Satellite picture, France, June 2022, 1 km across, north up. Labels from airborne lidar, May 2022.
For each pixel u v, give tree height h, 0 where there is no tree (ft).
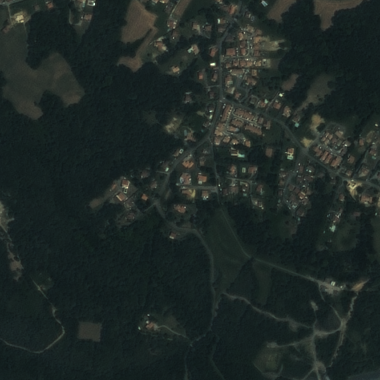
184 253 54
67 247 62
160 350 26
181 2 0
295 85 37
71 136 71
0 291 43
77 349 58
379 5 78
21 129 75
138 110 40
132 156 61
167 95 80
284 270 0
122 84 62
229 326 65
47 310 25
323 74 0
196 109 53
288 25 57
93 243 52
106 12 28
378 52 87
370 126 0
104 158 81
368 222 51
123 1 20
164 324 0
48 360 31
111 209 78
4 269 70
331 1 0
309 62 98
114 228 61
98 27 54
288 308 36
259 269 0
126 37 0
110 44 56
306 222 56
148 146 74
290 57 60
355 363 25
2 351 81
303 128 0
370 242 67
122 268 56
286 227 0
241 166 0
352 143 39
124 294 54
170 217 63
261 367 0
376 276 18
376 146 0
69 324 64
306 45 85
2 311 46
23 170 73
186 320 38
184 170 0
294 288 41
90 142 59
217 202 36
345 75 95
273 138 0
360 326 37
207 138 0
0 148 73
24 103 0
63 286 68
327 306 48
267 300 33
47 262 63
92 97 45
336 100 44
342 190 0
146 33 0
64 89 0
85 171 76
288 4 0
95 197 65
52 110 77
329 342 19
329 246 48
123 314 31
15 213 48
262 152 40
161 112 40
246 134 0
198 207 42
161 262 59
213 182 51
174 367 71
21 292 42
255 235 63
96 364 27
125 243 30
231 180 0
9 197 80
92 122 22
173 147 58
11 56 0
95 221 73
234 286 36
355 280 50
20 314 18
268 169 0
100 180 66
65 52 54
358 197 33
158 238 58
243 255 0
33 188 73
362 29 84
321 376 0
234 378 63
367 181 0
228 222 0
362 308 54
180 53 0
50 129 30
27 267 45
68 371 73
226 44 36
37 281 0
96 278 61
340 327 0
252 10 64
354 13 84
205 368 75
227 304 20
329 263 38
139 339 31
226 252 0
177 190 29
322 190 61
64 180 85
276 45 0
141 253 21
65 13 62
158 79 78
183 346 63
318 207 33
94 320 52
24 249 42
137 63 0
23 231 43
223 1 29
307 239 48
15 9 0
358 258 76
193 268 54
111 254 52
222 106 0
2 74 31
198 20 0
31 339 35
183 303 49
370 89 84
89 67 73
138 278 27
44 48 52
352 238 0
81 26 0
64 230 87
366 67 64
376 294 23
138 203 41
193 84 61
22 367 62
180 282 54
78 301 46
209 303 54
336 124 0
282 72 48
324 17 0
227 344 72
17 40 0
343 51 73
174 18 0
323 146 0
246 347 75
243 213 73
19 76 0
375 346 37
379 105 97
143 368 35
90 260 83
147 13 0
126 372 65
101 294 61
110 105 55
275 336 67
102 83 84
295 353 25
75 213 54
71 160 41
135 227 40
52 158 70
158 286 61
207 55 44
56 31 61
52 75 0
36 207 84
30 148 74
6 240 53
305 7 93
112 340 72
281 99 0
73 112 50
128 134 46
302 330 41
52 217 77
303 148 0
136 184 50
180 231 0
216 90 0
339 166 24
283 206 0
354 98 63
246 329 69
